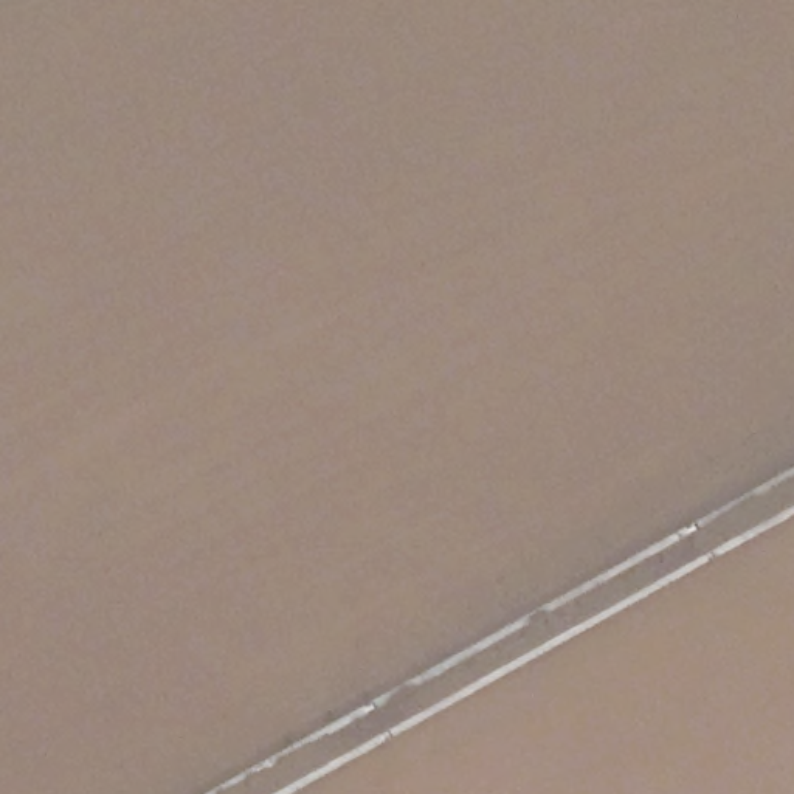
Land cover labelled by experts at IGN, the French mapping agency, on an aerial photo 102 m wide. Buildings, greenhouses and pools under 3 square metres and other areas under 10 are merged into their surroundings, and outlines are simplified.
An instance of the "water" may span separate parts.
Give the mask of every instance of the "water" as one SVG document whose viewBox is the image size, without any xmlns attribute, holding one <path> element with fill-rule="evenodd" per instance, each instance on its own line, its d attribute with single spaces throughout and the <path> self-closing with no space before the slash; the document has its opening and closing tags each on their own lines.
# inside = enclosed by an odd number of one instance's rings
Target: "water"
<svg viewBox="0 0 794 794">
<path fill-rule="evenodd" d="M 794 465 L 794 0 L 0 0 L 0 794 L 205 794 L 214 785 L 233 778 L 236 772 L 310 735 L 313 729 L 329 726 L 347 710 L 372 701 L 375 695 L 400 685 L 403 679 L 456 654 L 459 648 L 524 617 L 530 608 L 546 605 L 549 599 L 574 589 L 577 583 L 608 571 L 633 552 L 664 540 L 667 533 L 707 515 L 710 509 L 735 499 L 744 490 L 754 490 L 757 484 Z"/>
<path fill-rule="evenodd" d="M 490 673 L 493 667 L 524 654 L 549 636 L 642 589 L 667 571 L 692 561 L 695 555 L 794 506 L 794 478 L 775 487 L 772 493 L 738 506 L 735 512 L 685 537 L 667 552 L 574 599 L 571 605 L 546 611 L 533 623 L 527 620 L 527 627 L 515 636 L 456 664 L 453 670 L 425 685 L 413 685 L 409 692 L 391 698 L 369 716 L 279 760 L 273 769 L 245 778 L 226 794 L 270 794 L 295 782 L 298 775 L 329 763 L 332 757 L 357 747 L 360 741 L 378 735 L 381 729 L 413 716 L 416 710 L 447 698 L 471 679 Z"/>
<path fill-rule="evenodd" d="M 298 794 L 794 794 L 794 518 L 707 561 L 704 568 L 664 586 L 645 602 L 574 636 L 571 642 L 496 679 L 493 685 L 419 723 L 416 729 L 385 741 L 360 760 L 329 772 L 326 778 L 301 788 Z"/>
</svg>

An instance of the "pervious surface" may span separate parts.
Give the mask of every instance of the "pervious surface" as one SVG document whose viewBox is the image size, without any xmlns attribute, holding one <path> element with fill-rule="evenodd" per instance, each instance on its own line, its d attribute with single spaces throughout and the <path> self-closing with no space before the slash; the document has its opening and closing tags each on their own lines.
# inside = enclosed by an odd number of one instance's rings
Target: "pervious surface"
<svg viewBox="0 0 794 794">
<path fill-rule="evenodd" d="M 707 561 L 794 518 L 794 506 L 695 555 L 692 561 L 667 571 L 642 589 L 549 636 L 524 654 L 493 667 L 490 673 L 471 679 L 447 698 L 416 710 L 413 716 L 381 729 L 378 735 L 360 741 L 357 747 L 332 757 L 329 763 L 298 775 L 295 782 L 270 794 L 298 794 L 301 788 L 326 778 L 329 772 L 360 760 L 385 741 L 416 729 L 419 723 L 493 685 L 496 679 L 571 642 L 574 636 L 645 602 L 664 586 L 704 568 Z"/>
<path fill-rule="evenodd" d="M 667 533 L 664 540 L 633 552 L 608 571 L 577 583 L 574 589 L 549 599 L 546 605 L 530 608 L 524 617 L 459 648 L 456 654 L 403 679 L 400 685 L 375 695 L 372 701 L 347 710 L 329 726 L 313 729 L 310 735 L 236 772 L 233 778 L 214 785 L 205 794 L 226 794 L 245 778 L 273 769 L 279 760 L 369 716 L 391 698 L 409 692 L 413 685 L 425 685 L 453 670 L 456 664 L 515 636 L 527 627 L 527 620 L 533 623 L 546 611 L 571 605 L 574 599 L 667 552 L 685 537 L 735 512 L 738 506 L 772 493 L 775 487 L 794 478 L 794 465 L 757 484 L 754 490 L 744 490 L 735 499 L 710 509 L 707 515 Z"/>
</svg>

